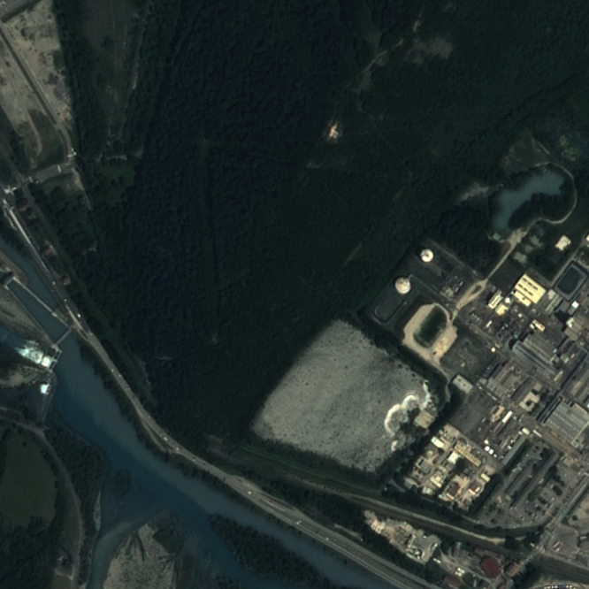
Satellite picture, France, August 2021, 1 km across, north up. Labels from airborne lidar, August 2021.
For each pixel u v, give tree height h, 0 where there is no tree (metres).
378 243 8
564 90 23
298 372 0
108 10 0
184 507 0
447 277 0
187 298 17
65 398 0
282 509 0
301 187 11
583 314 0
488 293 0
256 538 23
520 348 0
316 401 0
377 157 14
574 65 9
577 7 15
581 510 0
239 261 15
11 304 0
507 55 10
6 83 0
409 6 11
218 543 0
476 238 29
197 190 17
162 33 20
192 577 0
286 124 19
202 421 11
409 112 14
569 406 0
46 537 14
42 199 18
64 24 19
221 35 19
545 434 0
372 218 22
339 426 0
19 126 0
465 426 0
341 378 0
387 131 14
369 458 0
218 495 0
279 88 17
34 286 0
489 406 0
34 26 0
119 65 0
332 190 13
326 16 22
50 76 0
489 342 0
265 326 19
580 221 0
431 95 15
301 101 16
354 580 0
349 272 14
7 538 14
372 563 0
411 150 19
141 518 0
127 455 0
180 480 0
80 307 11
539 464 9
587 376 0
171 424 17
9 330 0
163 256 8
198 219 20
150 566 0
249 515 0
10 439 19
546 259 12
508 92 6
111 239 19
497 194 14
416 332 0
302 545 0
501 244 19
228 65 23
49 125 0
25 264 0
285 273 12
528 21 11
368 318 12
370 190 21
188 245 19
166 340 13
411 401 0
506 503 0
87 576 10
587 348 0
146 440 11
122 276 21
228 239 15
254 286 17
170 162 22
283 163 7
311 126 16
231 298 17
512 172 0
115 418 0
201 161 16
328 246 16
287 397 0
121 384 0
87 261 15
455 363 0
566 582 0
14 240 14
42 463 0
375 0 15
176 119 21
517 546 16
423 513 0
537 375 0
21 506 0
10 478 0
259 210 17
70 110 0
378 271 19
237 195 20
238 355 12
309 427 0
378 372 0
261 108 23
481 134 13
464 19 8
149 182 17
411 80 18
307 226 16
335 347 0
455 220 27
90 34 0
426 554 0
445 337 0
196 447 7
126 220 22
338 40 17
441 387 6
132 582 0
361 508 10
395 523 0
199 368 17
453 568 0
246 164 19
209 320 10
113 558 0
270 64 24
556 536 0
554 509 0
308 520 0
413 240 11
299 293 19
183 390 16
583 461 0
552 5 8
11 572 7
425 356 0
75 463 19
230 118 21
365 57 14
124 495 0
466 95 10
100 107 6
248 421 13
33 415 21
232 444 17
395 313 0
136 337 23
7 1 0
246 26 19
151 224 16
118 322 17
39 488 0
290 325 18
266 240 12
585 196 13
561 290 0
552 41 9
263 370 21
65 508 13
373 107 16
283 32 16
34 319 0
